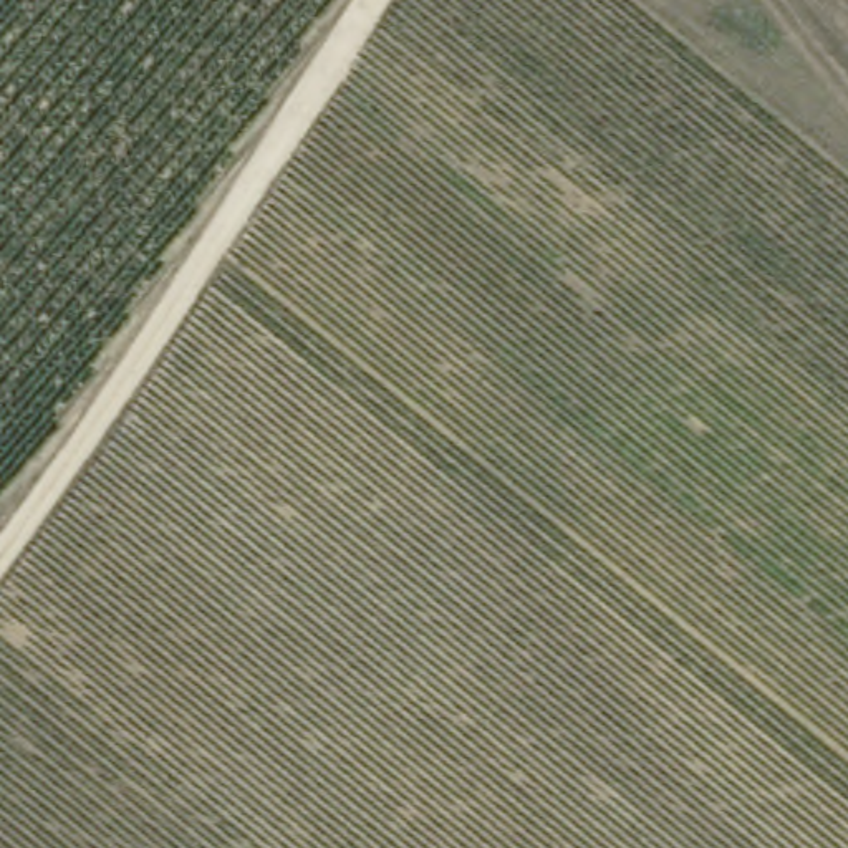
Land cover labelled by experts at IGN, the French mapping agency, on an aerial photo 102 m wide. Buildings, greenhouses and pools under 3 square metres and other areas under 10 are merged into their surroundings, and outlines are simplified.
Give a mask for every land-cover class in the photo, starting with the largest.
<instances>
[{"label":"vineyard","instance_id":"1","mask_svg":"<svg viewBox=\"0 0 848 848\"><path fill-rule=\"evenodd\" d=\"M335 0H0V494L27 467V460L36 457L40 447L56 434L80 388L93 381V361L106 348V341L126 325L139 282L156 278L162 272L166 248L195 219L205 189L215 182V169L235 166L232 142L268 109L275 80L298 63L301 36L321 13H328ZM0 848H848V176L828 159H822L805 139L782 126L732 80L712 70L702 56H696L682 40L663 30L656 20H649V13L639 10L633 0H391L374 30L368 33L351 73L315 116L288 162L275 172V179L255 202L248 222L239 229L235 242L225 248V255L199 288L195 301L189 305V311L182 315V321L176 325V331L169 335V341L162 345V351L156 354L129 401L119 407L93 454L83 460L76 477L66 484L60 500L50 507L43 523L33 530V537L23 543V550L0 576Z\"/></svg>","mask_w":848,"mask_h":848},{"label":"pervious surface","instance_id":"2","mask_svg":"<svg viewBox=\"0 0 848 848\"><path fill-rule=\"evenodd\" d=\"M391 0H351L345 17L338 20L325 46L311 56L298 86L278 109L262 146L239 169L229 199L202 232L186 265L169 282L139 338L133 341L113 378L99 388L83 424L70 434V441L46 467L40 484L0 530V576L23 550V543L33 537V530L43 523L50 507L60 500L66 484L76 477L83 460L93 454L119 407L129 401L156 354L162 351V345L169 341V335L176 331V325L182 321V315L189 311V305L195 301L199 288L225 255V248L235 242L239 229L248 222L255 202L275 179V172L288 162L315 116L351 73L368 33L374 30Z\"/></svg>","mask_w":848,"mask_h":848},{"label":"agricultural land","instance_id":"3","mask_svg":"<svg viewBox=\"0 0 848 848\"><path fill-rule=\"evenodd\" d=\"M639 10L649 13V20H656L663 30L682 40L696 56H702L712 70L732 80L782 126L805 139L822 159H828L848 176V0H633Z\"/></svg>","mask_w":848,"mask_h":848},{"label":"herbaceous vegetation","instance_id":"4","mask_svg":"<svg viewBox=\"0 0 848 848\"><path fill-rule=\"evenodd\" d=\"M351 0H335L328 13H321L301 36L298 63L275 80L268 109L232 142L235 166L215 169V182L205 189L195 219L166 248L162 272L156 278L139 282L126 325L106 341V348L93 361V381L80 388L56 434L40 447L36 457L27 460V467L0 494V530L40 484L46 467L70 441V434L83 424L99 388L113 378L133 341L139 338L169 282L186 265L202 232L229 199L239 169L262 146L278 109L298 86L311 56L325 46L338 20L345 17Z\"/></svg>","mask_w":848,"mask_h":848}]
</instances>
